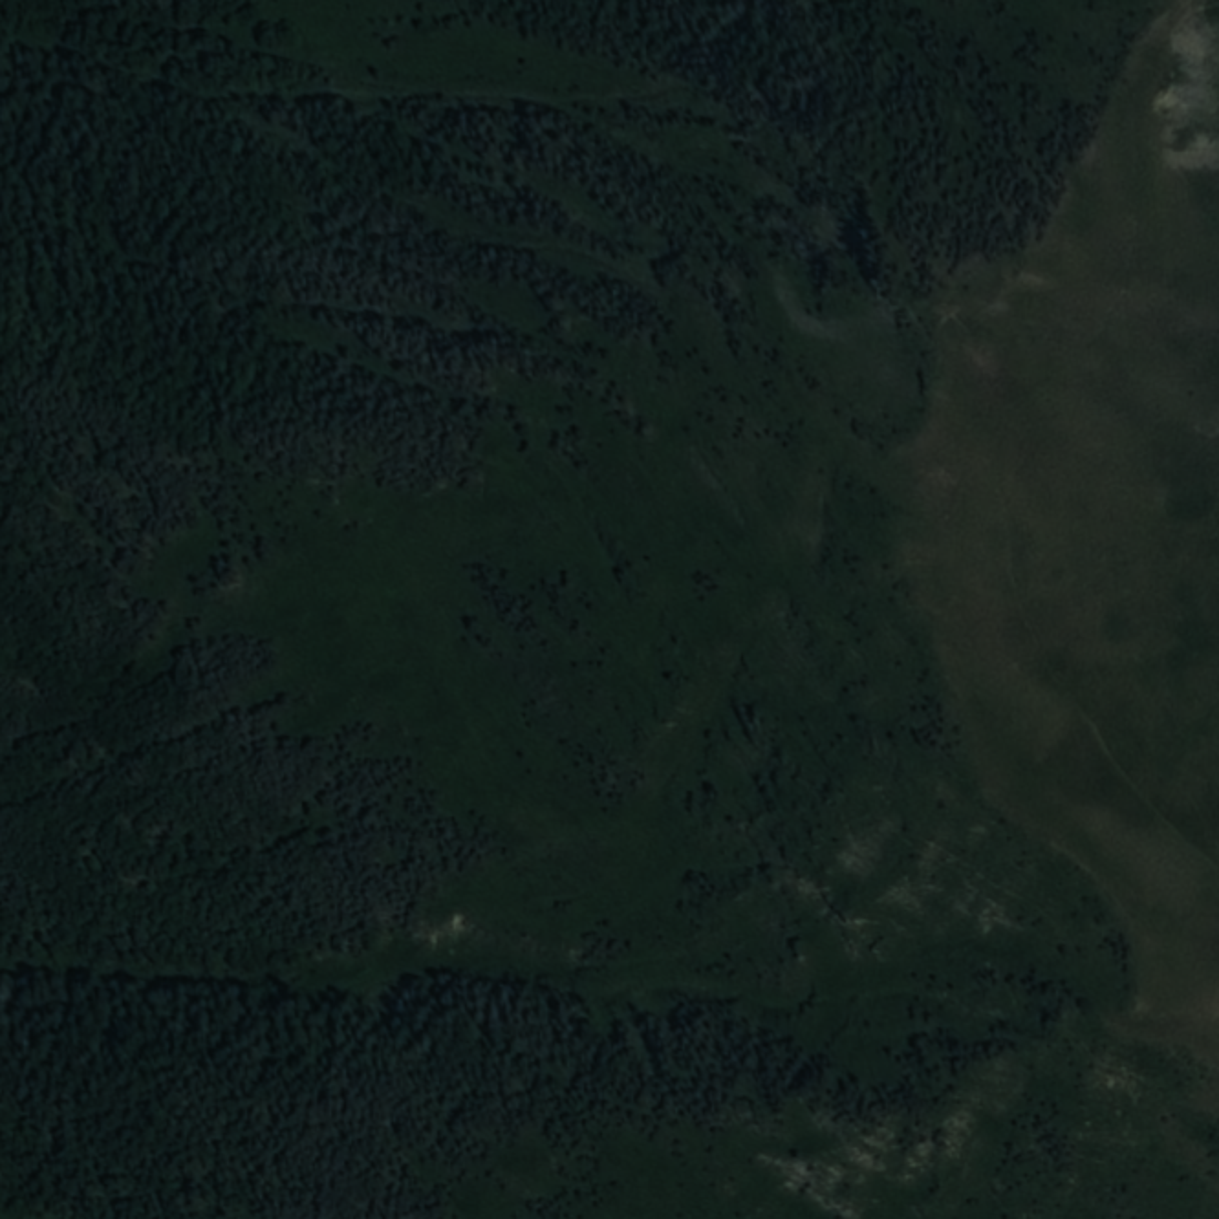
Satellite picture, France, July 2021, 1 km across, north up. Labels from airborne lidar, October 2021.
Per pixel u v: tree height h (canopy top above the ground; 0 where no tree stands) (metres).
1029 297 0
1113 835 0
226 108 10
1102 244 0
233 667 17
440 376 15
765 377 0
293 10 0
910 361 0
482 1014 15
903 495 0
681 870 0
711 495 0
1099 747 0
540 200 17
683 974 0
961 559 0
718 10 11
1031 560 0
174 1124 22
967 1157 0
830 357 0
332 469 7
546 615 0
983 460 0
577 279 11
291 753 18
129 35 22
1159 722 0
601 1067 14
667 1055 15
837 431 0
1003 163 8
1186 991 0
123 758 10
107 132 17
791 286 0
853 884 0
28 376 12
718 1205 0
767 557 0
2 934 20
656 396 0
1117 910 0
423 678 0
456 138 15
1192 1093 0
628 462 0
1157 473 0
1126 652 0
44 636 21
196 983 19
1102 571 0
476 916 0
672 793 0
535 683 0
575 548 0
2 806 13
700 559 0
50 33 14
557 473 0
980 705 0
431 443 8
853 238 0
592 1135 6
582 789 0
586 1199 12
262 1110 17
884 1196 0
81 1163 22
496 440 0
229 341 16
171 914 20
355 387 12
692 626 0
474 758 0
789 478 0
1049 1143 9
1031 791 0
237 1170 20
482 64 0
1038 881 0
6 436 19
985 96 8
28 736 7
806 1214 0
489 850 12
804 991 0
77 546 16
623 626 0
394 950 0
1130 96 0
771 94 11
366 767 10
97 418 15
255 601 0
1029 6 0
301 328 0
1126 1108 0
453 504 0
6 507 17
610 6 15
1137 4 0
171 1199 21
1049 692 0
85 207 9
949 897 0
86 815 18
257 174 12
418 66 0
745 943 0
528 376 10
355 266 17
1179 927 0
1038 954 0
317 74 6
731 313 8
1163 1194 0
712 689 0
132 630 18
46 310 18
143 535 17
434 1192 8
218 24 7
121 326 17
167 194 13
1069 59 0
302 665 0
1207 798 0
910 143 12
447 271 9
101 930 23
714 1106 10
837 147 7
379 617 0
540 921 0
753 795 0
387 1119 18
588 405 0
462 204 15
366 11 0
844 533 0
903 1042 0
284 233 15
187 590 0
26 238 11
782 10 11
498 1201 0
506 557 0
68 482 17
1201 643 0
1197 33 0
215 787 17
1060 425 0
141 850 25
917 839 0
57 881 19
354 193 15
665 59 9
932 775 0
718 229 10
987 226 9
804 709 0
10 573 25
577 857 0
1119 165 0
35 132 18
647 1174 0
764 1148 0
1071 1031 0
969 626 0
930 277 8
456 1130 16
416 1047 18
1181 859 0
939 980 9
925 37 8
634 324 9
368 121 9
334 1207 15
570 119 15
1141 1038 0
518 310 0
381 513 0
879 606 0
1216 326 0
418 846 7
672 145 0
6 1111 6
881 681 0
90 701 12
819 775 0
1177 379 0
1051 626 0
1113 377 0
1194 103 0
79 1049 20
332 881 17
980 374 0
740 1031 12
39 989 31
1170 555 0
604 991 0
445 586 0
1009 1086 0
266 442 9
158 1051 21
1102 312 0
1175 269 0
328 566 0
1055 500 0
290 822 15
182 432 16
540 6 8
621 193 10
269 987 5
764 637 0
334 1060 11
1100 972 0
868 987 0
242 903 21
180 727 19
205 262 21
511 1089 17
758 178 0
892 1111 9
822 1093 10
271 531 0
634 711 0
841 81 10
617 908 0
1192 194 0
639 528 0
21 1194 10
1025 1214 0
